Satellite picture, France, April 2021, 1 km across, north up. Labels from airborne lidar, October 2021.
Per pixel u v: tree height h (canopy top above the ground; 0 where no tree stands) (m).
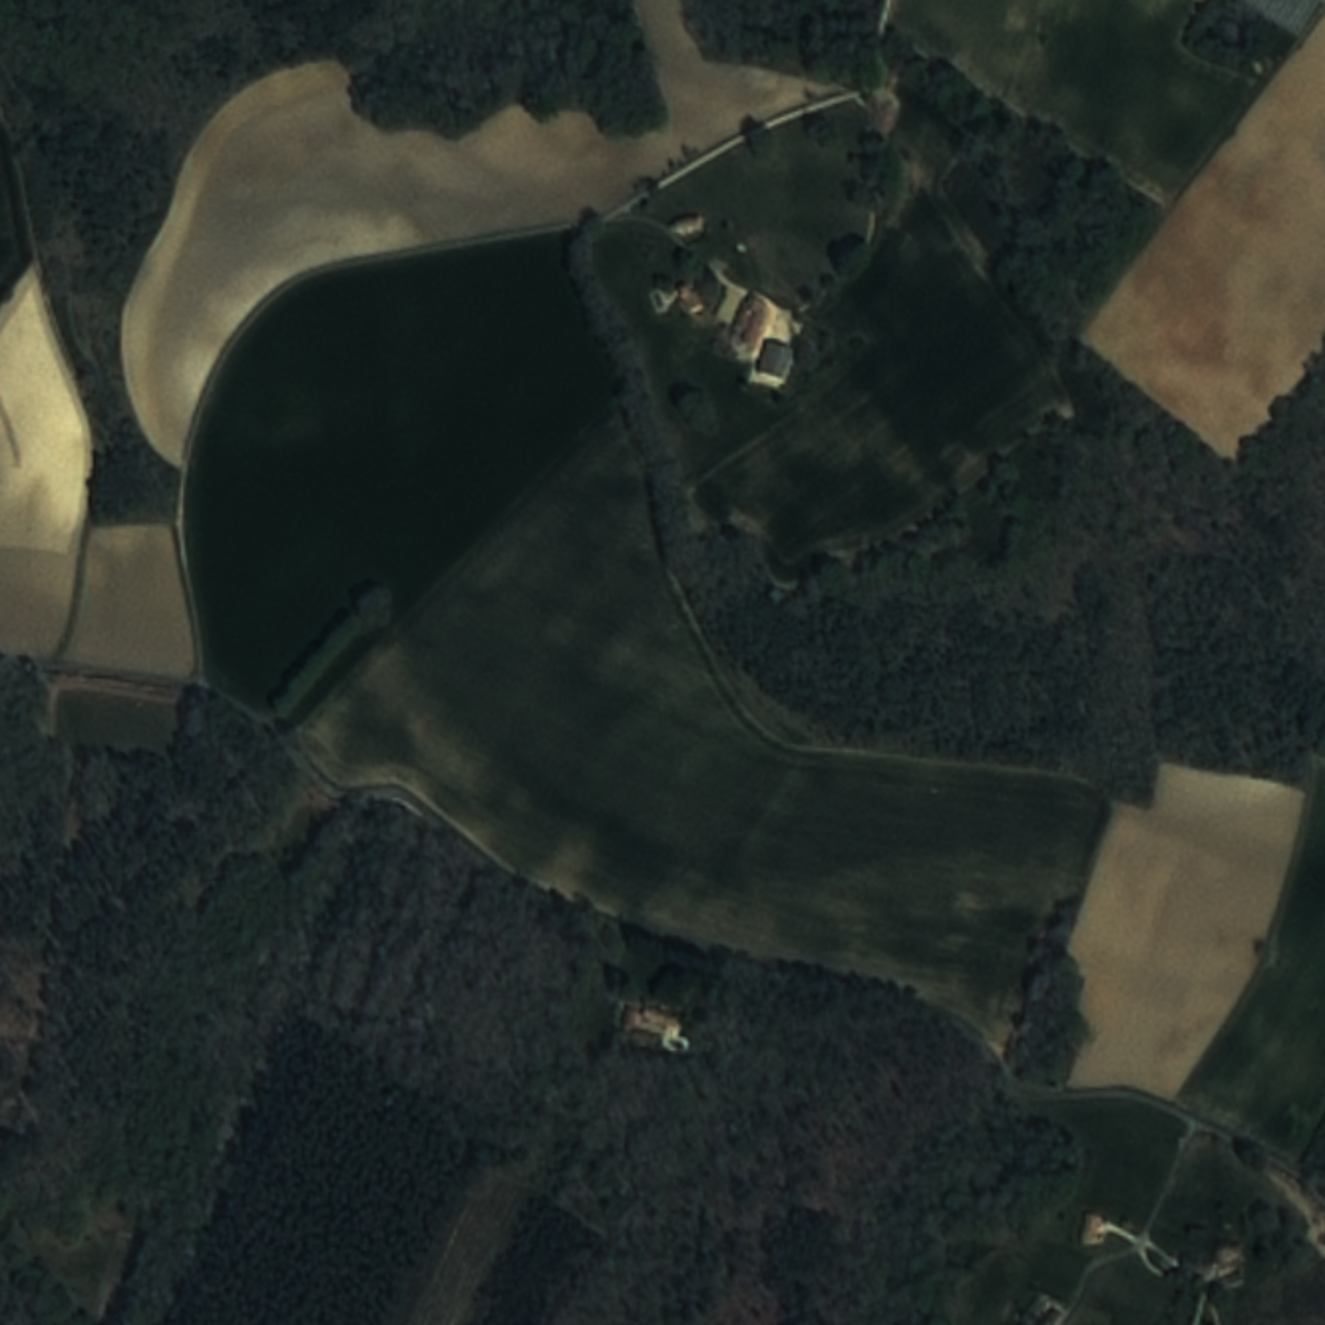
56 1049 20
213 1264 19
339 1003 18
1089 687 19
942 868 0
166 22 19
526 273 0
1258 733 12
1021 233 22
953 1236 26
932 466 0
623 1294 18
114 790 21
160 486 20
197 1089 26
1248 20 14
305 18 22
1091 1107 0
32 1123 11
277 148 0
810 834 0
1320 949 0
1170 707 19
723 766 0
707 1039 18
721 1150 12
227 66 18
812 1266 26
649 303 0
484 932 23
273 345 0
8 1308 20
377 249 0
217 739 21
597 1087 22
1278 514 16
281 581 0
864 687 19
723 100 0
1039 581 19
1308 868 0
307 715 0
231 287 0
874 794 0
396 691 0
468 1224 0
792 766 0
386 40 20
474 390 0
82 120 17
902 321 0
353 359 0
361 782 0
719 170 0
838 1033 16
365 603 19
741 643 13
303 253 0
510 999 22
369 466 0
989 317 0
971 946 0
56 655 0
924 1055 17
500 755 0
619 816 0
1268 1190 0
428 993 21
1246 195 0
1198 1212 0
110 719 0
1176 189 0
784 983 22
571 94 23
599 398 0
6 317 0
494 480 0
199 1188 20
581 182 0
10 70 20
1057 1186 25
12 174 0
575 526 0
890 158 14
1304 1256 15
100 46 27
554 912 18
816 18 7
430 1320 0
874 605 21
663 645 0
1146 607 14
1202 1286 14
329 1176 24
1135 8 0
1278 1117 0
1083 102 0
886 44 14
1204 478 13
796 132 0
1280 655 12
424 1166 23
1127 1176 0
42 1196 19
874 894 0
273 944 24
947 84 20
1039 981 18
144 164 22
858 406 0
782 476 0
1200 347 0
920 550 17
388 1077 22
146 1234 15
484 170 0
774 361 0
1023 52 0
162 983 24
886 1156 14
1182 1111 0
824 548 0
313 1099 23
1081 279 21
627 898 0
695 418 22
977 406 0
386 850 15
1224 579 11
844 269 22
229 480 0
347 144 0
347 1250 25
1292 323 0
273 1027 20
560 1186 9
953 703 11
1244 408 0
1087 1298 0
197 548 0
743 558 23
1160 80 0
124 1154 28
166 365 0
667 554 19
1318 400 21
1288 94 0
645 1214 15
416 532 0
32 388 0
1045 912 0
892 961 0
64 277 16
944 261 0
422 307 0
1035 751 11
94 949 23
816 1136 11
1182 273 0
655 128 21
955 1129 19
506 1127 16
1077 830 0
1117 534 18
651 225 0
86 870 22
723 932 0
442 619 0
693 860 0
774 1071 22
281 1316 24
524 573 0
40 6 28
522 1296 7
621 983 12
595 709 0
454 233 0
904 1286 21
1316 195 0
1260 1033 0
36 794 22
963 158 19
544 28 25
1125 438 18
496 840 0
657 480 19
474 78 16
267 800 24
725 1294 9
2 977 19
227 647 0
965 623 24
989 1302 0
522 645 0
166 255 0
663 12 0
